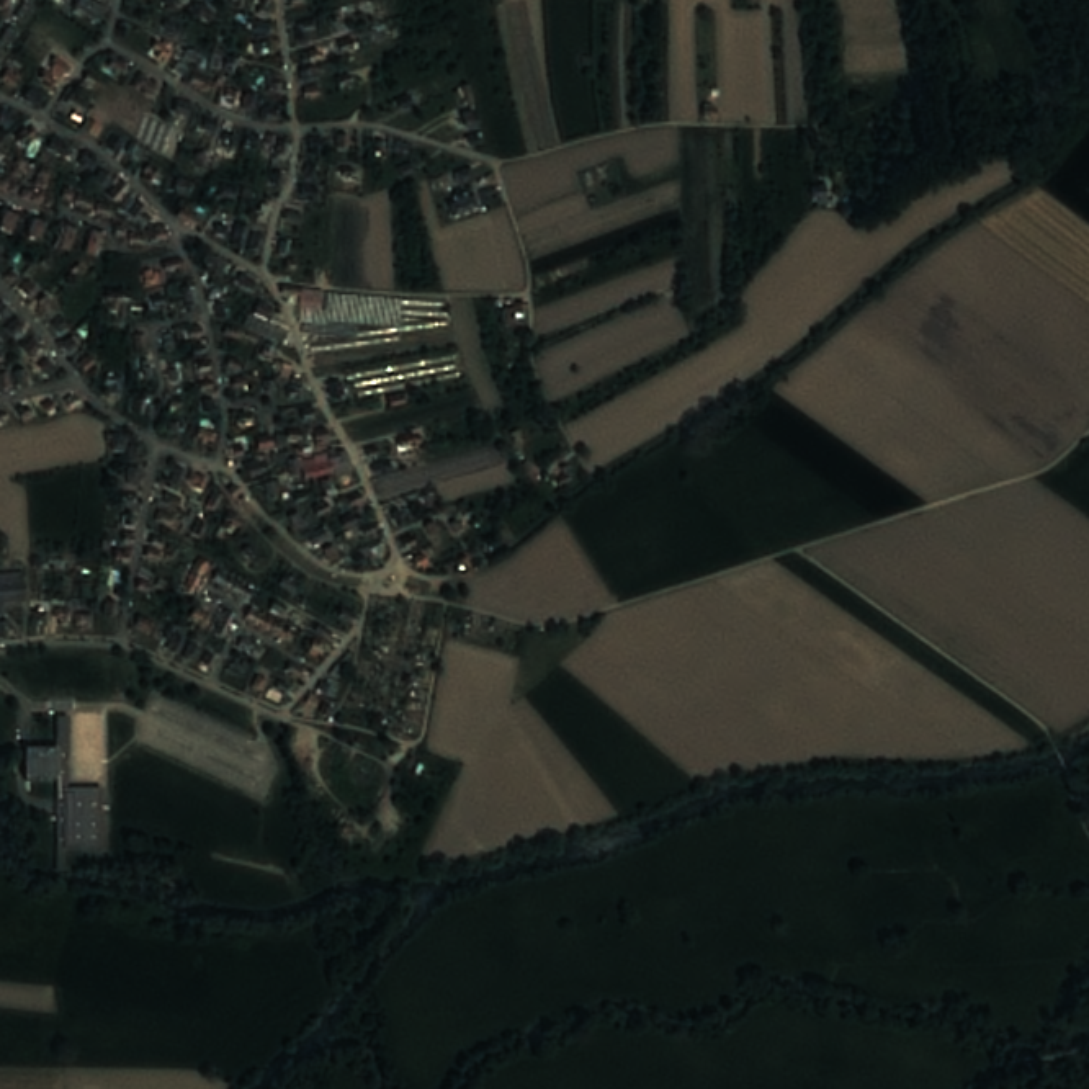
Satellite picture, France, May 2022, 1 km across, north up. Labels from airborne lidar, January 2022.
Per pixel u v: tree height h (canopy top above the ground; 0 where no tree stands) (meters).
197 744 0
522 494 11
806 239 0
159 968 0
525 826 0
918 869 0
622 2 0
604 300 0
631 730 0
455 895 12
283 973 0
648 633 0
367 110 9
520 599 0
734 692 0
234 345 8
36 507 0
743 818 0
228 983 0
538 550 0
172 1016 0
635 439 0
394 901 14
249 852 0
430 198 0
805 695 0
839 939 0
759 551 0
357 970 13
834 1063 0
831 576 0
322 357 0
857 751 0
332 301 0
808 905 0
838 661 0
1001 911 0
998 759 10
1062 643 0
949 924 0
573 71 0
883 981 0
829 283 0
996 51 0
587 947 0
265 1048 0
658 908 0
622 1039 0
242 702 0
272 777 0
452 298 0
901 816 0
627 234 0
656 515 0
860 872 16
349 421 0
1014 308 0
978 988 0
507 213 0
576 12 0
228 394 10
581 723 0
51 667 0
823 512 0
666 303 0
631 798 0
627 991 0
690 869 0
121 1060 0
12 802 19
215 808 0
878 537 0
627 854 0
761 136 0
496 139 0
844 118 15
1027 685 0
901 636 0
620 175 0
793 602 0
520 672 0
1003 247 0
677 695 0
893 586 0
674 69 0
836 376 0
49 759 0
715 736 0
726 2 0
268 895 0
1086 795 22
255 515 0
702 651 0
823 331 13
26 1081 0
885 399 0
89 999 0
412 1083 0
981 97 19
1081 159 0
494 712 0
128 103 0
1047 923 0
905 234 0
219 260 0
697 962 0
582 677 0
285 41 0
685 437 20
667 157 0
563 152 0
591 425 0
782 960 0
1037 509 0
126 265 0
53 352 0
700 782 10
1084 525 0
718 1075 0
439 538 0
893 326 0
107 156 0
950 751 0
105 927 0
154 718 0
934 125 38
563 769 0
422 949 0
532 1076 0
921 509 0
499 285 0
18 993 0
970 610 0
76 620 0
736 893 0
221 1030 0
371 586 0
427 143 0
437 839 0
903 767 13
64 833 0
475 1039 0
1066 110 24
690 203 0
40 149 0
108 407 0
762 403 15
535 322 0
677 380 0
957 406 0
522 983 0
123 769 0
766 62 0
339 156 0
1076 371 0
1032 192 0
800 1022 0
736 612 0
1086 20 19
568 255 0
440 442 7
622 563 0
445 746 0
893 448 0
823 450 0
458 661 0
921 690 0
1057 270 0
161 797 0
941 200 0
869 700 0
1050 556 0
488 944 0
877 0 0
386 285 0
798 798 9
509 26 0
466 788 0
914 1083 0
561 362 0
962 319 0
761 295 0
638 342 0
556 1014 0
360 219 0
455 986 0
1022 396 0
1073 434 0
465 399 0
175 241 0
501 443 10
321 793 0
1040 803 0
